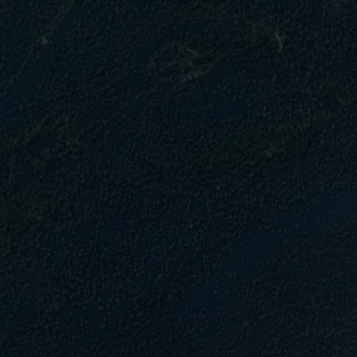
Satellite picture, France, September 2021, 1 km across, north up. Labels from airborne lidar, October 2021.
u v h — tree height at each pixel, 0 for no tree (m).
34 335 29
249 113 25
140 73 27
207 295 14
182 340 26
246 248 25
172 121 31
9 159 25
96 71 25
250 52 14
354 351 13
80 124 22
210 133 29
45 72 25
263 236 20
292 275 23
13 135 26
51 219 12
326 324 32
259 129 26
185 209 23
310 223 28
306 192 20
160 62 10
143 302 26
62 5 21
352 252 24
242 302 22
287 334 24
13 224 22
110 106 24
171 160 21
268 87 18
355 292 9
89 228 25
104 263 19
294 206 14
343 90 25
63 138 26
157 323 28
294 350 18
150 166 12
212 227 23
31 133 22
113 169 35
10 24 28
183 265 25
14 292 24
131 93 23
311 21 18
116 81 16
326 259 23
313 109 26
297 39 21
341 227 27
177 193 32
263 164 14
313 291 15
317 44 6
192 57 12
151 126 32
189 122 32
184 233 28
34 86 26
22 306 32
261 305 24
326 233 23
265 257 27
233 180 24
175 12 28
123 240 27
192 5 32
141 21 35
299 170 20
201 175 23
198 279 25
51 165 6
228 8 21
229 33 6
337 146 11
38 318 20
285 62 9
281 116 31
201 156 27
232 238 29
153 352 35
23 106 20
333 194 25
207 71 21
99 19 17
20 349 28
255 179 12
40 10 21
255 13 31
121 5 21
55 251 21
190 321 29
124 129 19
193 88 25
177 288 26
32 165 24
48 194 22
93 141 20
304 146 16
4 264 25
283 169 10
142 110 20
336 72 7
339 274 13
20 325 28
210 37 22
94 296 32
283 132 18
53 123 20
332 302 15
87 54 21
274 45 14
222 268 27
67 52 20
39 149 17
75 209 25
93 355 29
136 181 29
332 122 11
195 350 26
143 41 27
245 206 12
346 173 22
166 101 26
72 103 27
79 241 26
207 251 21
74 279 33
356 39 13
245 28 13
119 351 25
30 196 23
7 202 24
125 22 26
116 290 30
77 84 22
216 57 15
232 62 16
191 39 18
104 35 35
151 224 27
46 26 20
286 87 18
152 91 25
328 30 25
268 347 32
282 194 19
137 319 23
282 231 24
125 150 18
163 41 31
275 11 26
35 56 13
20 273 14
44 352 27
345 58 7
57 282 11
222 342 20
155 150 26
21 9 15
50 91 17
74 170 19
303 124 20
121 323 30
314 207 27
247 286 28
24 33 26
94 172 26
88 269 34
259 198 21
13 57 24
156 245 21
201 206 25
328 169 28
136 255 22
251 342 16
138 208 27
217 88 27
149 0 24
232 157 10
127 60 16
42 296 21
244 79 6
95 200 22
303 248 20
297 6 27
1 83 27
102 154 23
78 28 15
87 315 11
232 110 30
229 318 19
